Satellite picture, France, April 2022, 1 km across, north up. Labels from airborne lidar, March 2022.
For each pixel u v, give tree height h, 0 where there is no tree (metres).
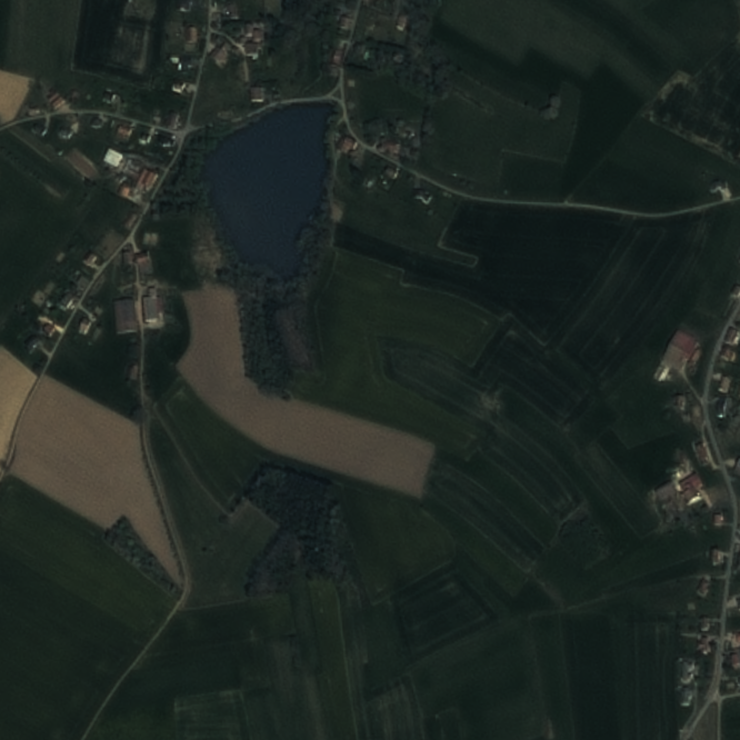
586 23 0
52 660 0
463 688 0
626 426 0
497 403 0
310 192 0
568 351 0
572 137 0
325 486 20
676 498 0
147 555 7
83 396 0
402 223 0
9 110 0
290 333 26
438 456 0
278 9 0
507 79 0
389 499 0
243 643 0
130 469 0
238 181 0
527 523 0
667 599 0
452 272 0
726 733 0
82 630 0
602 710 0
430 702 0
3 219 0
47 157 0
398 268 0
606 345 0
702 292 0
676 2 0
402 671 0
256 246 0
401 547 0
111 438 0
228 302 0
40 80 0
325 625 0
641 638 0
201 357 0
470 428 0
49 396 0
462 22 0
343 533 22
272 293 19
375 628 0
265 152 0
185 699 0
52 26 0
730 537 0
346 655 0
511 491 0
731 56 0
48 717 0
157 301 0
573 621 0
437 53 22
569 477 0
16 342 0
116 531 7
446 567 0
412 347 0
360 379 0
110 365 0
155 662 0
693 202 0
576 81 0
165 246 0
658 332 0
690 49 0
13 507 0
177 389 0
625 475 0
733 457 0
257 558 0
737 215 0
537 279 0
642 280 0
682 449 0
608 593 0
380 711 0
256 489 15
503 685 0
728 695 0
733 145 0
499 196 0
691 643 0
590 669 0
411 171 13
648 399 0
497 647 0
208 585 0
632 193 0
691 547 0
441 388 0
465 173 0
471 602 0
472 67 0
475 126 0
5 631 0
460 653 0
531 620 0
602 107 0
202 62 0
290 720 0
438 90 17
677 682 0
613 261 0
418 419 0
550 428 0
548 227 0
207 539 0
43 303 0
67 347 0
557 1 0
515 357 0
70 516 0
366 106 0
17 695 0
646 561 0
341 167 0
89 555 0
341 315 0
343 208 0
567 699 0
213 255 0
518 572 0
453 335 0
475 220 0
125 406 0
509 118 0
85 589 0
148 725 0
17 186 0
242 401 0
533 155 0
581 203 0
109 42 0
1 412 0
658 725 0
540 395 0
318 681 0
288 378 20
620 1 0
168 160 0
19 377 0
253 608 0
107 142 0
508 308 0
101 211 0
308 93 0
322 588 0
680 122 0
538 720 0
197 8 0
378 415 0
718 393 0
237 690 0
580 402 0
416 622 0
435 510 0
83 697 0
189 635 0
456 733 0
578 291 0
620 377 0
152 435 0
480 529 0
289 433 0
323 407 0
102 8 0
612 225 0
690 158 0
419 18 23
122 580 0
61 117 0
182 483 0
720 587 0
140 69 0
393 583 0
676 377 0
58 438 0
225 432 0
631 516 0
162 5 0
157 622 0
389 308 0
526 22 0
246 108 7
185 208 9
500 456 0
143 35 0
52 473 0
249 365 12
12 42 0
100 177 0
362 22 0
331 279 0
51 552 0
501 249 0
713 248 0
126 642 0
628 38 0
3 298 0
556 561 0
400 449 0
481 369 0
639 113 0
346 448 0
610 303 0
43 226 0
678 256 0
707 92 0
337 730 0
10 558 0
